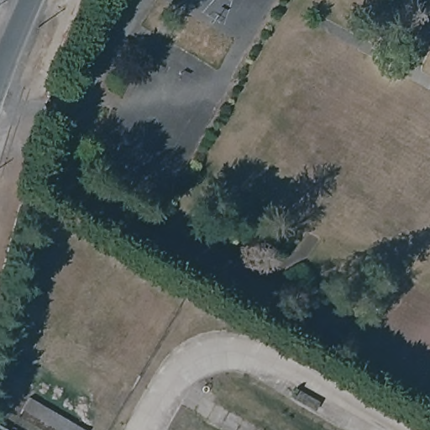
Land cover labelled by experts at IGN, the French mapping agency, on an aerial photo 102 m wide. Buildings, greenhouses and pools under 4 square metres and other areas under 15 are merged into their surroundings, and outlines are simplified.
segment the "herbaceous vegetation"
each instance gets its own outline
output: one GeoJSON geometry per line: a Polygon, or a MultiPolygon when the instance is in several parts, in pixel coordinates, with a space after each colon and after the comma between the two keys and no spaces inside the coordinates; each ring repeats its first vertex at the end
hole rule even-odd
{"type": "Polygon", "coordinates": [[[166,0],[161,0],[160,5],[149,10],[148,22],[158,34],[163,34],[166,32],[166,25],[161,20],[161,13],[165,8],[170,8],[176,20],[183,25],[183,29],[178,30],[173,39],[171,45],[175,49],[180,49],[203,66],[215,71],[223,66],[225,60],[220,59],[220,55],[232,45],[232,39],[210,29],[208,25],[200,24],[197,18],[176,10],[173,3],[166,0]]]}
{"type": "Polygon", "coordinates": [[[17,227],[18,212],[22,208],[17,188],[24,165],[22,148],[29,139],[30,129],[34,126],[35,114],[45,109],[50,97],[49,91],[45,89],[45,79],[49,74],[50,62],[54,60],[59,47],[66,44],[67,34],[71,29],[72,20],[77,17],[81,0],[40,0],[24,42],[18,50],[7,86],[0,92],[0,272],[7,265],[12,233],[17,227]]]}
{"type": "Polygon", "coordinates": [[[168,430],[220,430],[210,425],[207,418],[200,415],[197,410],[191,410],[183,405],[168,430]]]}
{"type": "Polygon", "coordinates": [[[269,217],[270,220],[281,215],[287,225],[284,239],[255,237],[247,244],[237,245],[230,242],[217,242],[212,245],[198,242],[191,232],[190,217],[181,210],[180,198],[176,198],[166,188],[155,188],[153,191],[139,190],[138,178],[129,176],[123,170],[123,166],[116,163],[109,168],[106,176],[118,181],[129,195],[136,195],[148,205],[160,207],[163,222],[144,222],[136,213],[124,208],[123,203],[109,202],[94,193],[87,193],[79,181],[82,175],[81,160],[77,158],[76,151],[64,151],[64,156],[55,158],[55,165],[60,165],[57,166],[57,175],[49,176],[47,180],[47,186],[54,185],[52,197],[55,198],[55,202],[71,202],[72,210],[91,215],[94,223],[102,223],[104,228],[121,228],[123,237],[134,237],[136,242],[141,242],[141,245],[146,245],[149,249],[163,250],[165,257],[161,260],[166,264],[175,260],[190,262],[193,272],[200,270],[203,277],[208,279],[210,286],[220,286],[223,297],[232,297],[235,304],[240,304],[247,311],[265,307],[267,321],[274,322],[281,328],[302,328],[302,334],[309,334],[322,344],[322,351],[328,346],[344,346],[351,349],[356,353],[354,368],[366,371],[371,380],[378,381],[380,385],[383,385],[385,376],[390,376],[393,390],[403,391],[403,396],[410,396],[412,401],[430,405],[430,380],[427,364],[417,363],[412,368],[403,361],[398,361],[390,344],[373,348],[370,333],[363,328],[354,316],[338,316],[329,297],[322,292],[321,284],[334,279],[343,281],[344,287],[348,289],[349,302],[359,302],[363,294],[368,296],[368,302],[378,307],[376,314],[380,319],[380,326],[388,326],[388,312],[393,304],[400,301],[403,294],[412,289],[413,284],[423,294],[430,296],[430,89],[420,86],[415,94],[417,97],[408,97],[398,87],[400,79],[391,79],[381,74],[378,64],[373,62],[373,52],[378,50],[378,45],[373,44],[373,40],[358,42],[354,39],[354,32],[346,20],[346,15],[353,10],[353,3],[363,3],[364,7],[370,10],[368,15],[378,25],[388,25],[391,22],[403,25],[406,35],[417,37],[413,40],[413,47],[420,57],[423,57],[430,52],[430,0],[274,0],[267,17],[259,25],[257,34],[247,50],[244,50],[244,55],[240,59],[242,66],[247,64],[250,69],[244,91],[240,92],[239,101],[232,97],[233,87],[239,84],[239,72],[233,72],[232,81],[225,91],[227,102],[235,107],[235,111],[220,131],[213,148],[208,151],[208,155],[197,153],[195,149],[191,151],[190,165],[178,173],[181,176],[181,186],[188,193],[198,183],[208,181],[212,186],[208,190],[203,190],[205,197],[197,195],[198,207],[208,207],[212,213],[213,210],[217,210],[218,203],[235,203],[237,212],[247,220],[250,227],[257,227],[262,215],[269,217]],[[259,57],[250,59],[250,50],[255,44],[259,44],[262,30],[274,27],[275,34],[265,40],[264,49],[259,57]],[[309,230],[312,237],[316,237],[317,240],[314,249],[328,260],[302,260],[299,264],[306,265],[309,269],[309,274],[304,279],[287,279],[284,269],[279,269],[264,274],[259,270],[247,269],[242,259],[242,247],[272,249],[275,250],[277,257],[281,254],[291,255],[296,249],[297,242],[302,240],[302,233],[309,230]],[[366,275],[361,272],[364,265],[370,264],[383,265],[391,284],[396,286],[395,292],[388,292],[381,299],[378,297],[373,286],[366,282],[366,275]],[[306,292],[309,297],[311,316],[306,319],[291,319],[284,316],[279,302],[287,297],[296,297],[301,291],[306,292]]]}
{"type": "Polygon", "coordinates": [[[314,422],[304,413],[297,412],[294,406],[287,405],[286,401],[275,396],[277,391],[272,386],[262,383],[249,373],[222,371],[205,378],[205,386],[212,390],[215,398],[213,403],[222,406],[227,412],[235,413],[237,417],[244,418],[245,422],[252,423],[260,430],[344,430],[334,427],[333,423],[314,422]]]}
{"type": "Polygon", "coordinates": [[[25,400],[25,396],[39,401],[40,405],[59,413],[60,417],[71,420],[82,430],[124,430],[133,417],[144,391],[148,390],[153,376],[160,370],[163,361],[173,353],[173,349],[200,333],[232,333],[227,322],[220,317],[207,314],[185,297],[170,296],[160,286],[153,286],[151,282],[121,264],[116,257],[99,252],[94,244],[87,242],[86,239],[71,235],[57,218],[50,218],[45,213],[39,220],[39,233],[50,237],[52,244],[49,247],[40,247],[30,262],[30,269],[34,269],[34,279],[37,281],[40,294],[32,301],[22,297],[24,317],[20,322],[25,324],[27,338],[13,344],[17,358],[12,363],[5,364],[2,381],[5,395],[0,398],[0,430],[55,430],[44,425],[34,415],[18,412],[17,406],[25,400]]]}

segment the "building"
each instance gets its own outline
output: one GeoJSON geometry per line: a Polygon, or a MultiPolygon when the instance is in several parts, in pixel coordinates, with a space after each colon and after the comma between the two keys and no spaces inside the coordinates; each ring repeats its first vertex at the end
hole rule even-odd
{"type": "Polygon", "coordinates": [[[34,415],[44,425],[55,430],[82,430],[71,420],[60,417],[59,413],[40,405],[39,401],[25,396],[25,400],[17,406],[18,412],[34,415]]]}

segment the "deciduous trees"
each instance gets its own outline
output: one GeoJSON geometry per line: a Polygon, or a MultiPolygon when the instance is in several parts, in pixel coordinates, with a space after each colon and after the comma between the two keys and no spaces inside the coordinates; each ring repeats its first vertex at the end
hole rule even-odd
{"type": "Polygon", "coordinates": [[[250,50],[250,59],[259,57],[264,49],[265,40],[275,34],[274,27],[262,30],[259,44],[255,44],[250,50]]]}
{"type": "Polygon", "coordinates": [[[376,314],[378,307],[368,302],[368,296],[363,294],[359,302],[349,302],[348,289],[344,287],[343,281],[334,279],[321,284],[322,292],[329,297],[338,316],[354,316],[363,328],[368,324],[375,328],[380,326],[380,319],[376,314]]]}
{"type": "Polygon", "coordinates": [[[309,274],[309,269],[306,265],[299,264],[284,269],[287,279],[304,279],[309,274]]]}
{"type": "Polygon", "coordinates": [[[245,334],[250,339],[257,339],[265,346],[274,348],[284,358],[294,359],[299,364],[319,371],[326,380],[334,381],[339,390],[353,393],[364,405],[380,410],[386,417],[395,418],[396,422],[405,423],[406,427],[412,430],[430,430],[430,405],[412,401],[410,396],[403,396],[403,391],[393,390],[390,376],[385,376],[383,385],[380,385],[378,381],[371,380],[366,371],[354,368],[356,353],[351,349],[344,346],[328,346],[322,351],[322,344],[309,334],[302,334],[302,328],[281,328],[274,322],[267,321],[265,307],[247,311],[240,304],[235,304],[232,297],[223,297],[220,286],[210,286],[208,279],[203,277],[200,270],[193,272],[190,262],[175,260],[166,264],[161,260],[165,257],[163,250],[149,249],[146,245],[141,245],[141,242],[136,242],[134,237],[123,237],[121,228],[104,228],[102,223],[94,223],[91,215],[72,210],[71,202],[55,202],[55,198],[52,197],[54,185],[47,186],[47,180],[49,176],[57,175],[57,166],[60,165],[55,165],[55,158],[64,156],[64,151],[69,131],[76,128],[76,123],[62,116],[62,113],[45,109],[35,114],[34,126],[30,129],[29,139],[22,148],[24,165],[17,188],[22,208],[18,212],[17,227],[12,233],[7,265],[0,272],[0,398],[5,395],[2,381],[5,364],[12,363],[17,358],[13,344],[27,338],[25,324],[20,322],[24,317],[22,297],[32,301],[40,294],[37,281],[34,279],[34,269],[30,269],[30,262],[40,247],[49,247],[52,244],[50,237],[39,233],[39,220],[45,213],[50,218],[57,218],[71,235],[86,239],[87,242],[94,244],[99,252],[116,257],[121,264],[151,282],[153,286],[160,286],[170,296],[185,297],[207,314],[220,317],[227,322],[232,333],[245,334]]]}
{"type": "Polygon", "coordinates": [[[213,148],[220,131],[235,111],[235,107],[227,102],[223,102],[218,118],[205,126],[195,149],[197,153],[208,155],[208,151],[213,148]]]}
{"type": "Polygon", "coordinates": [[[366,282],[373,286],[378,297],[381,299],[388,292],[395,292],[396,286],[391,284],[383,265],[370,264],[364,265],[361,272],[366,275],[366,282]]]}
{"type": "Polygon", "coordinates": [[[121,12],[128,7],[128,0],[81,0],[77,17],[72,20],[71,29],[67,34],[66,44],[59,47],[54,60],[50,62],[49,74],[45,79],[45,89],[49,91],[50,97],[59,97],[60,101],[76,102],[84,97],[89,87],[89,77],[84,74],[92,69],[94,59],[104,50],[104,34],[107,30],[113,29],[113,25],[121,18],[121,12]]]}
{"type": "Polygon", "coordinates": [[[239,72],[239,84],[233,87],[232,97],[239,101],[240,92],[244,91],[250,69],[247,64],[242,66],[239,72]]]}
{"type": "Polygon", "coordinates": [[[311,316],[309,297],[306,292],[301,291],[296,297],[287,297],[279,302],[284,316],[291,319],[306,319],[311,316]]]}
{"type": "Polygon", "coordinates": [[[403,25],[391,22],[388,25],[378,25],[368,15],[370,10],[364,7],[363,3],[353,3],[353,10],[346,15],[346,20],[354,32],[354,39],[358,42],[373,40],[373,44],[378,45],[378,50],[373,52],[373,62],[378,64],[381,74],[391,79],[400,79],[410,76],[415,67],[422,66],[423,57],[420,57],[413,47],[413,40],[417,37],[406,35],[403,25]]]}
{"type": "Polygon", "coordinates": [[[264,274],[279,269],[277,257],[275,250],[272,249],[242,247],[242,259],[247,269],[259,270],[264,274]]]}
{"type": "Polygon", "coordinates": [[[190,217],[191,232],[198,242],[212,245],[217,242],[230,242],[237,245],[247,244],[255,237],[284,239],[287,225],[281,215],[270,220],[269,217],[262,215],[257,227],[250,227],[247,220],[237,212],[235,203],[218,203],[217,210],[213,210],[212,213],[208,207],[198,207],[197,195],[205,197],[203,190],[208,190],[212,186],[208,181],[198,183],[188,193],[180,198],[181,210],[190,217]]]}
{"type": "Polygon", "coordinates": [[[82,175],[79,181],[87,193],[94,193],[109,202],[123,203],[124,208],[136,213],[144,222],[163,222],[160,207],[148,205],[136,195],[129,195],[118,181],[106,176],[109,168],[102,153],[104,148],[99,141],[81,139],[76,151],[77,158],[81,160],[82,175]]]}
{"type": "Polygon", "coordinates": [[[161,20],[166,25],[166,32],[163,34],[173,39],[178,30],[183,29],[183,25],[176,20],[170,8],[165,8],[161,13],[161,20]]]}
{"type": "Polygon", "coordinates": [[[146,84],[153,72],[153,57],[139,47],[123,45],[119,47],[118,54],[111,64],[114,76],[119,77],[126,86],[146,84]]]}

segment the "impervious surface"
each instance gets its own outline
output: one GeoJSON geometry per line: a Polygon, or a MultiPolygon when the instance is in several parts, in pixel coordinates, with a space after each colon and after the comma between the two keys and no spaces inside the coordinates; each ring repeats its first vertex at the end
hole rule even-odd
{"type": "Polygon", "coordinates": [[[76,128],[69,131],[64,151],[76,151],[81,139],[99,141],[104,148],[102,153],[109,168],[116,163],[123,166],[123,170],[129,176],[138,178],[139,190],[153,191],[155,188],[166,188],[176,198],[180,198],[188,193],[181,186],[181,176],[178,173],[190,165],[191,151],[195,149],[205,126],[218,118],[223,102],[227,102],[225,91],[232,81],[233,72],[239,72],[242,66],[240,59],[244,55],[244,50],[247,50],[257,34],[259,25],[267,17],[274,0],[166,0],[173,3],[176,10],[197,18],[200,24],[208,25],[210,29],[232,39],[232,45],[220,55],[220,59],[225,60],[223,66],[215,71],[203,66],[180,49],[175,49],[171,45],[173,39],[163,34],[158,34],[148,22],[149,10],[160,5],[161,0],[128,0],[128,7],[121,12],[121,18],[113,25],[113,29],[107,30],[104,34],[104,50],[94,59],[92,69],[84,74],[89,77],[89,87],[84,97],[76,102],[60,101],[59,97],[50,97],[45,109],[62,113],[62,116],[76,123],[76,128]],[[118,54],[119,47],[123,45],[139,47],[153,57],[153,72],[146,84],[126,86],[119,77],[114,76],[111,64],[118,54]]]}
{"type": "Polygon", "coordinates": [[[312,237],[309,230],[302,233],[302,240],[297,242],[296,249],[291,255],[281,254],[277,257],[279,269],[284,269],[299,264],[302,260],[328,260],[314,249],[317,240],[316,237],[312,237]]]}
{"type": "Polygon", "coordinates": [[[415,94],[420,86],[430,89],[430,52],[423,57],[422,66],[415,67],[410,76],[400,79],[398,87],[408,97],[417,97],[415,94]]]}
{"type": "Polygon", "coordinates": [[[380,410],[364,405],[353,393],[339,390],[334,381],[326,380],[319,371],[299,364],[294,359],[284,358],[274,348],[265,346],[257,339],[250,339],[245,334],[232,333],[200,333],[173,349],[173,353],[163,361],[160,370],[153,376],[148,390],[144,391],[133,417],[124,430],[168,430],[183,405],[191,410],[197,410],[200,415],[207,418],[210,425],[220,430],[260,430],[252,423],[245,422],[244,418],[237,417],[235,413],[227,412],[222,406],[213,403],[215,398],[212,390],[205,386],[205,378],[222,371],[249,373],[262,383],[272,386],[277,391],[275,396],[286,401],[287,405],[294,406],[297,412],[304,413],[314,422],[333,423],[334,427],[344,430],[412,430],[406,427],[405,423],[396,422],[395,418],[386,417],[380,410]]]}
{"type": "Polygon", "coordinates": [[[393,304],[388,312],[388,326],[380,326],[375,328],[368,324],[363,328],[370,333],[373,348],[390,344],[398,361],[403,361],[412,368],[417,363],[427,364],[430,380],[430,296],[423,294],[413,284],[412,289],[403,294],[400,301],[393,304]]]}
{"type": "Polygon", "coordinates": [[[0,92],[7,86],[18,50],[24,42],[40,0],[0,0],[0,92]]]}

